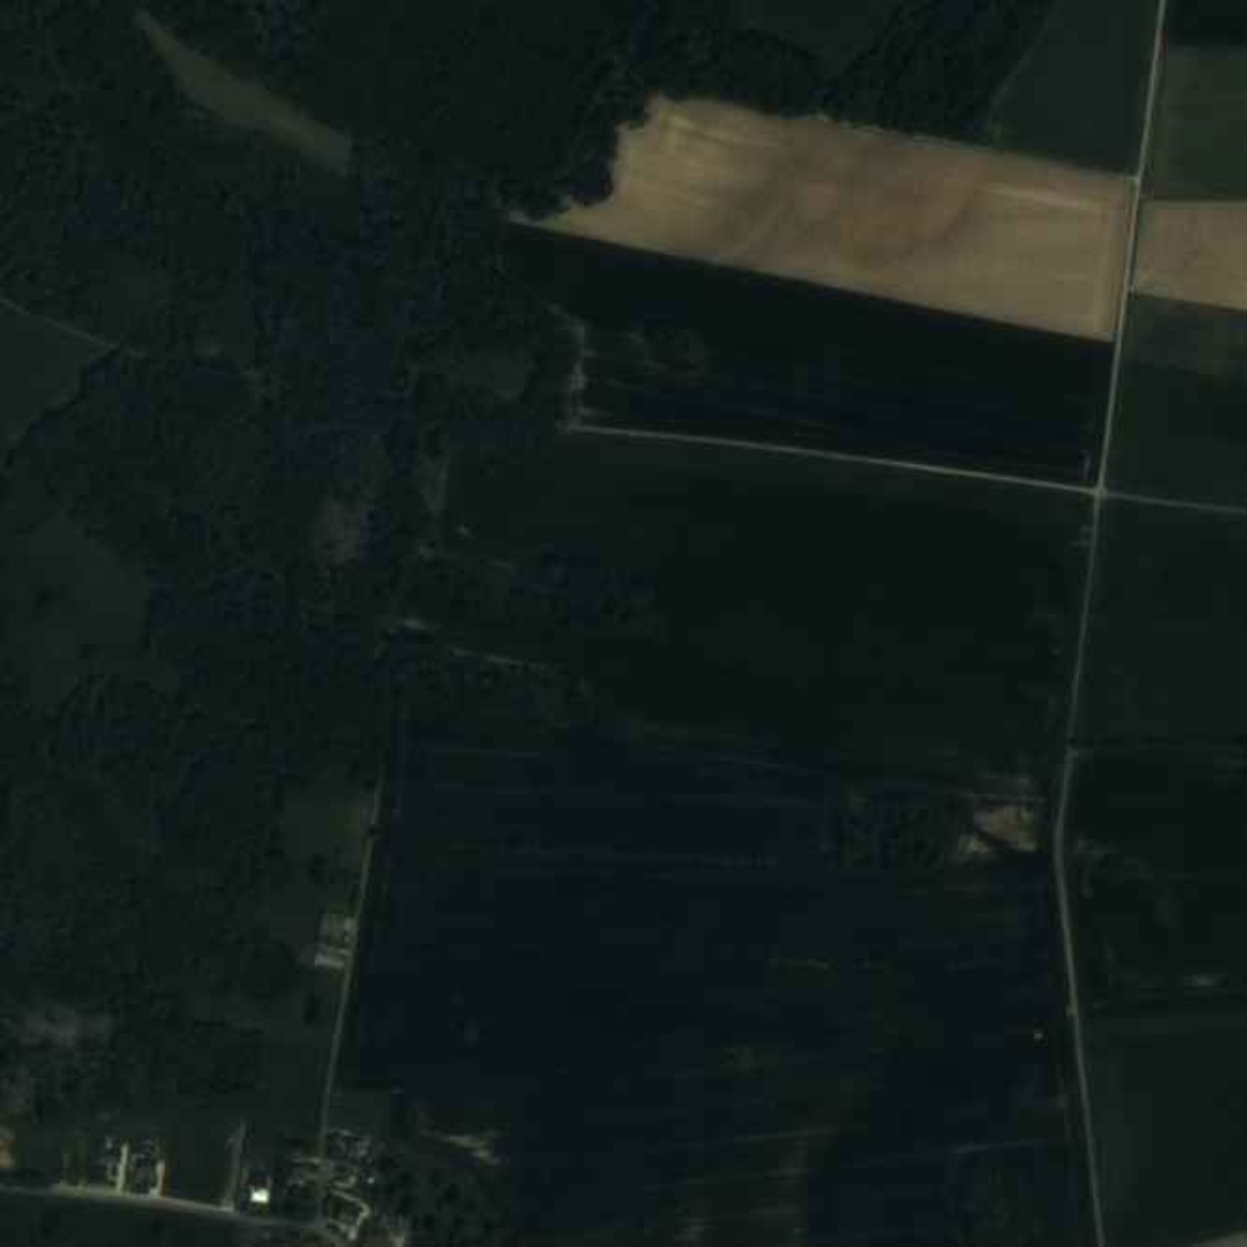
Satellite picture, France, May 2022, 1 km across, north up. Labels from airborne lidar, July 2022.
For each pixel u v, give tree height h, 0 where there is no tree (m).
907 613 0
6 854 19
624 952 0
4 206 9
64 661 0
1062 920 0
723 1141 0
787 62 26
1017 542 0
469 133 17
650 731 0
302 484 21
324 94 19
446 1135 0
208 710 24
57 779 20
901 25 11
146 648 11
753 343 0
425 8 18
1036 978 0
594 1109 0
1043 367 0
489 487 0
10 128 18
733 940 0
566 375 15
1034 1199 0
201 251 7
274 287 28
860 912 0
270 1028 0
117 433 18
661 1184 0
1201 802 0
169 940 21
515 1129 0
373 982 0
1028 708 0
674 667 0
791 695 0
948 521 0
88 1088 15
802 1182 0
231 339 8
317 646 26
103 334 9
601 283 0
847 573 0
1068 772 0
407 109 16
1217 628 0
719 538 0
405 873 0
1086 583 0
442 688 19
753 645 0
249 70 24
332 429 21
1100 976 0
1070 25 0
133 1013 23
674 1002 0
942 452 0
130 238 16
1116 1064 0
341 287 32
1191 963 0
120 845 24
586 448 0
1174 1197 0
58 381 0
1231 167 0
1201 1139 0
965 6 13
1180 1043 0
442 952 0
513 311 21
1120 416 0
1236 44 0
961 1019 0
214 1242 0
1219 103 0
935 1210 0
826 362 0
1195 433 0
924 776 0
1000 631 0
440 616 0
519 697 21
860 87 25
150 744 25
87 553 0
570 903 0
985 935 0
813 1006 0
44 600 12
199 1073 8
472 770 0
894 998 0
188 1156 0
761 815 0
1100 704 0
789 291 0
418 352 25
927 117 11
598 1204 0
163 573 18
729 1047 0
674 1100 0
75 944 22
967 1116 0
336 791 24
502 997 0
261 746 22
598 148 29
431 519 24
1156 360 0
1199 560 0
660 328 16
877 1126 0
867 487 0
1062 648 0
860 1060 0
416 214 27
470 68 16
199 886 13
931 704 0
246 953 20
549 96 21
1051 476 0
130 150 7
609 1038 0
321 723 33
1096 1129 0
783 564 0
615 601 22
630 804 0
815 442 0
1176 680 0
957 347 0
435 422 27
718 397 0
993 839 0
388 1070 0
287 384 17
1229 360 0
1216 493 0
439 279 28
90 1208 0
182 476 23
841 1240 0
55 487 19
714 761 0
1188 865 0
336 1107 0
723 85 25
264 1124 0
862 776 0
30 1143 0
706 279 0
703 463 0
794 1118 0
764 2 0
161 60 16
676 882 0
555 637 0
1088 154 0
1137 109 0
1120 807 0
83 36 21
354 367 29
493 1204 0
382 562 28
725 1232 0
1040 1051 0
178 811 26
